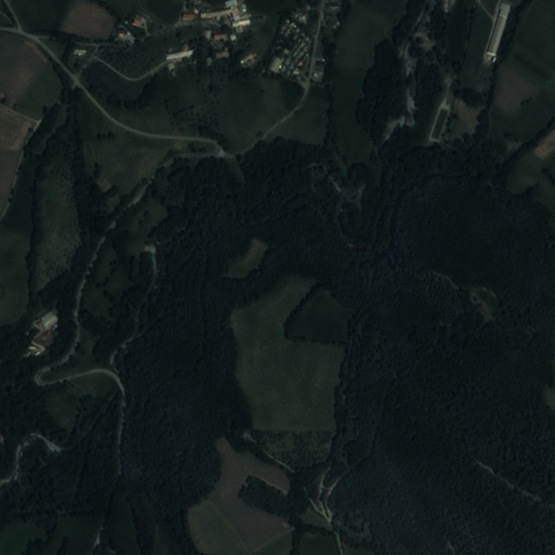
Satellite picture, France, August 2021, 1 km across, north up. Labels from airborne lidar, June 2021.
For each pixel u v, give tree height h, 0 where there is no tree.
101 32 0
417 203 16
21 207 0
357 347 9
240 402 19
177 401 15
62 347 12
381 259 17
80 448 12
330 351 0
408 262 15
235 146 0
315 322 0
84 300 14
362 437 12
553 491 24
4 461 19
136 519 13
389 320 16
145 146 0
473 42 0
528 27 0
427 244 21
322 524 0
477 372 16
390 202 16
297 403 0
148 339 18
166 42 8
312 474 10
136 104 15
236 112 0
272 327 0
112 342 11
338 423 10
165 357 23
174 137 0
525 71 0
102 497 23
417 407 21
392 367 15
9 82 0
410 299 21
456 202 22
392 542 9
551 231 22
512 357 17
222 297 17
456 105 0
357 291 21
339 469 11
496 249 21
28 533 0
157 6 0
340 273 20
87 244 20
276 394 0
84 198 20
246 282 16
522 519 14
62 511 20
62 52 0
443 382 18
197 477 20
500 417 21
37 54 0
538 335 18
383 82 25
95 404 7
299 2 10
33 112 0
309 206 11
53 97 0
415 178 11
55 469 22
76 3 0
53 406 0
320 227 19
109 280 12
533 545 15
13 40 0
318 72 0
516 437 21
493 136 0
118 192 13
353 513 12
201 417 19
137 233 0
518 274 23
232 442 17
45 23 0
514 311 19
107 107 0
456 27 0
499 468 17
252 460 0
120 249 24
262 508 11
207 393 22
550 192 0
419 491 13
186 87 0
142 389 18
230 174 22
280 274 20
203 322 12
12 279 0
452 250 20
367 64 0
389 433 20
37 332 12
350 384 13
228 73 7
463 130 0
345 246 12
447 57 14
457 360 20
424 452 15
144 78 0
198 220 18
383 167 7
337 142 15
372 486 12
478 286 23
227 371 12
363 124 17
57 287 21
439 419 17
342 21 15
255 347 0
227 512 0
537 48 0
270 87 0
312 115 0
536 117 0
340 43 0
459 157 25
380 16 0
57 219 0
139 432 19
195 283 24
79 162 18
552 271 19
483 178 18
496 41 0
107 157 0
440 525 13
